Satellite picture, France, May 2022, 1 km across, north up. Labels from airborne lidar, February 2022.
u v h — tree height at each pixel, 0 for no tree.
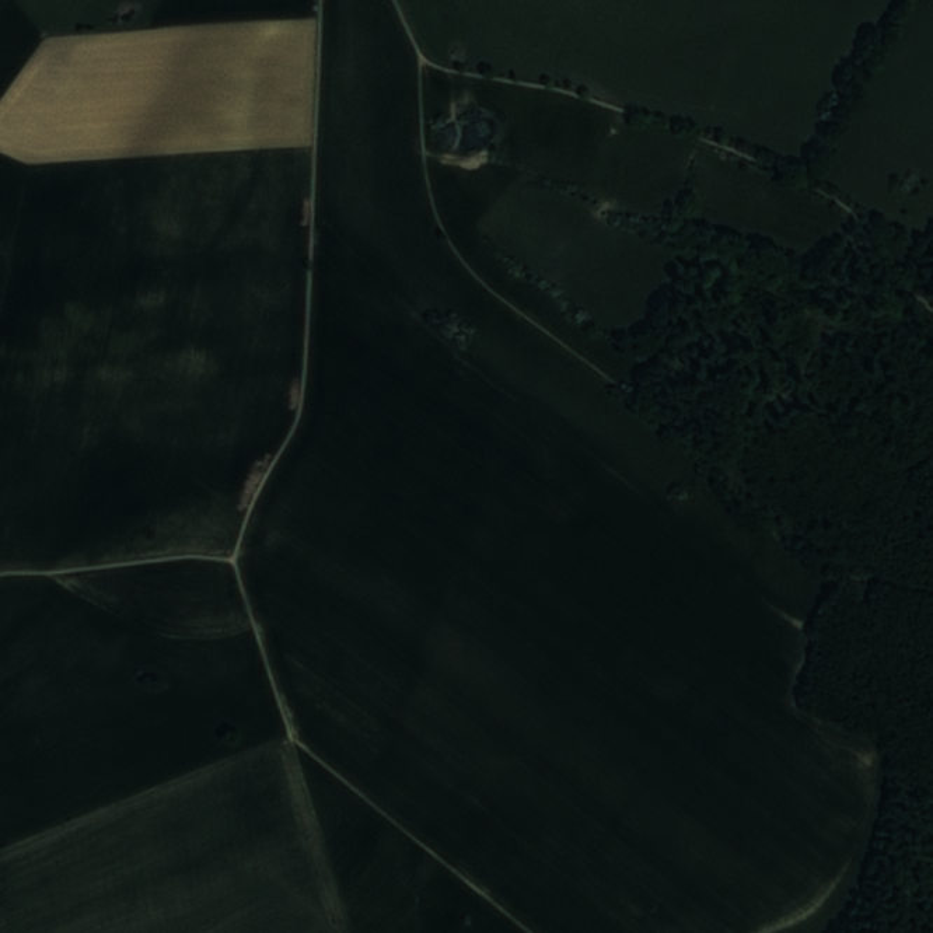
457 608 0
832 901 0
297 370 0
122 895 0
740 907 0
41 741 0
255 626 0
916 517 20
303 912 0
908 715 19
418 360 0
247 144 0
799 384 36
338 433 0
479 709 0
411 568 0
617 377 0
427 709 0
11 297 0
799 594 0
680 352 36
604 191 0
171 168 0
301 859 0
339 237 0
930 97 0
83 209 0
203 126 0
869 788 0
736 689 0
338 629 0
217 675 0
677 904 0
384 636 0
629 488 0
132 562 0
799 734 0
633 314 0
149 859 0
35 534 0
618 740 0
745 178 0
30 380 0
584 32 0
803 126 0
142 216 0
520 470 0
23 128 0
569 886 0
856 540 16
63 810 0
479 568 0
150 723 0
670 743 0
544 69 0
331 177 0
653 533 0
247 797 0
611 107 0
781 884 0
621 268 0
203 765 0
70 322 0
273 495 0
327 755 0
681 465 0
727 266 34
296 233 0
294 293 0
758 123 0
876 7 0
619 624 0
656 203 0
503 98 0
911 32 0
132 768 0
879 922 30
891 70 0
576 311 7
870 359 15
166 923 0
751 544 0
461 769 0
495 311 0
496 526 0
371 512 0
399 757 0
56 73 0
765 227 0
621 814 0
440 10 0
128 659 0
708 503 0
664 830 0
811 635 15
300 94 0
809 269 24
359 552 0
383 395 0
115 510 0
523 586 0
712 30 0
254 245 0
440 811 0
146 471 0
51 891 0
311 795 0
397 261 0
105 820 0
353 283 0
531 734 0
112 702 0
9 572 0
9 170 0
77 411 0
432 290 0
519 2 0
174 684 0
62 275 0
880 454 20
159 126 0
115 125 0
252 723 0
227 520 0
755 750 0
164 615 0
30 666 0
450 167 0
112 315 0
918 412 21
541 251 0
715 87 0
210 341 0
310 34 0
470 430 0
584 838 0
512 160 0
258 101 0
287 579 0
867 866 14
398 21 0
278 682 0
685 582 0
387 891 0
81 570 0
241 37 0
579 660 0
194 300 0
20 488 0
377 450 0
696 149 0
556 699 0
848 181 0
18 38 0
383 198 0
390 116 0
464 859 0
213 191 0
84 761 0
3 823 0
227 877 0
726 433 25
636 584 0
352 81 0
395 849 0
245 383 0
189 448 0
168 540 0
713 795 0
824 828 0
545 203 0
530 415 0
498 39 0
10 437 0
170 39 0
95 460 0
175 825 0
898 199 0
